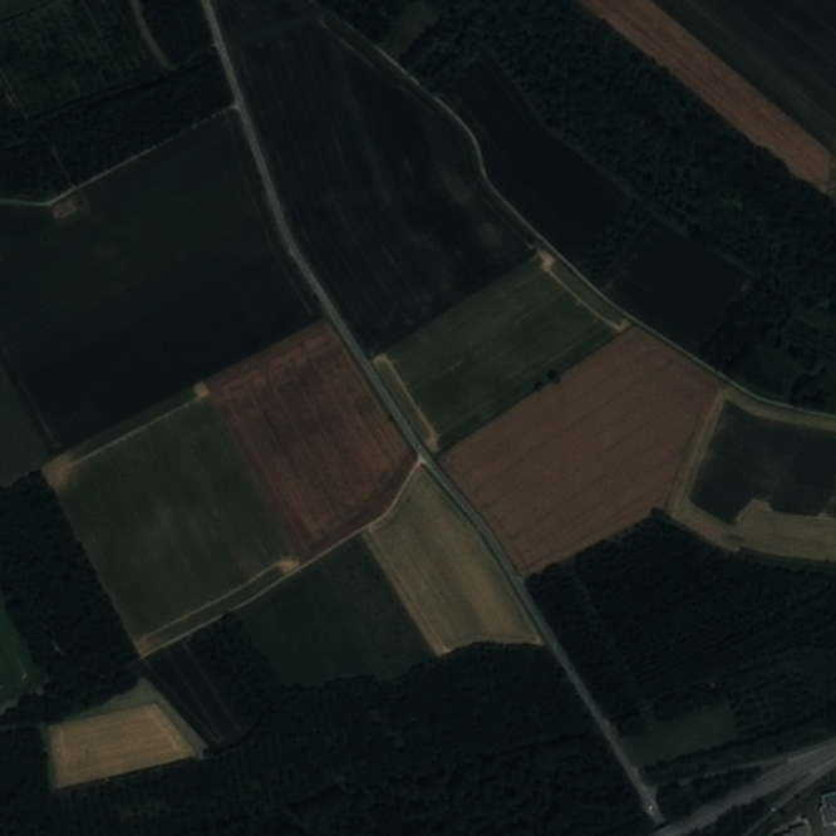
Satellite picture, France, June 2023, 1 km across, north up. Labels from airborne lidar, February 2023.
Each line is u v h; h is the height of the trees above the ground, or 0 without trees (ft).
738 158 40
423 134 0
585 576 37
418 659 0
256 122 0
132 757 0
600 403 0
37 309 0
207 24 32
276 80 0
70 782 0
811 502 0
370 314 0
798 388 45
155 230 0
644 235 0
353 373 0
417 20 0
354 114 0
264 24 0
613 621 39
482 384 0
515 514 0
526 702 18
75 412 0
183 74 55
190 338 0
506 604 0
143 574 0
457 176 0
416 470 0
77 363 0
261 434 0
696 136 54
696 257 0
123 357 0
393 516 0
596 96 55
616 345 0
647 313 0
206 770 23
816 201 52
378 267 0
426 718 20
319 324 0
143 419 0
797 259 58
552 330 0
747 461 0
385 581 0
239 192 0
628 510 0
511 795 69
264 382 0
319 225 0
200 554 0
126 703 0
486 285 0
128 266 0
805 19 0
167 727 0
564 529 0
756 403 0
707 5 0
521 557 0
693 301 0
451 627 0
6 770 39
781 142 0
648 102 49
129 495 0
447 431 0
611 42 36
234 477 0
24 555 50
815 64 0
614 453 0
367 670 0
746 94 0
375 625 0
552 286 0
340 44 0
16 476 0
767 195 50
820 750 0
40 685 0
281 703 40
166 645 0
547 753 74
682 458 0
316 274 0
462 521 0
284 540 0
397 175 0
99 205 0
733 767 0
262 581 0
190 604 0
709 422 0
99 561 0
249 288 0
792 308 42
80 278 0
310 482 0
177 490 0
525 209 0
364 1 59
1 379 0
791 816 0
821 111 0
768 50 0
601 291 0
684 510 0
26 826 77
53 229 0
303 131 0
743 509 0
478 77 0
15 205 0
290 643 0
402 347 0
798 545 0
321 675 0
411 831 64
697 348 0
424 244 0
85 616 33
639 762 0
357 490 0
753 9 0
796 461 0
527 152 0
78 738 0
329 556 0
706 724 0
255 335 0
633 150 55
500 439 0
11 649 0
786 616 41
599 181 0
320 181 0
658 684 19
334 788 24
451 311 0
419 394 0
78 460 0
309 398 0
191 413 0
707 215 56
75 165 37
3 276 0
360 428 0
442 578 0
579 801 73
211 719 0
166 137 42
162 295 0
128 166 0
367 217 0
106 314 0
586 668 32
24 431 0
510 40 34
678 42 0
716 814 0
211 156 0
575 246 0
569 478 0
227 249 0
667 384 0
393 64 0
